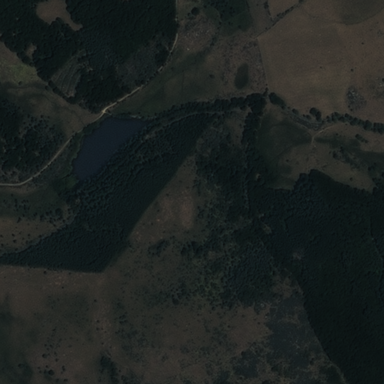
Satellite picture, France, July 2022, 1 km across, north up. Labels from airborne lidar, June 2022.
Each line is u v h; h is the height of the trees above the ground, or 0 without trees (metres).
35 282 0
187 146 14
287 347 0
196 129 9
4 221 0
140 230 0
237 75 0
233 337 0
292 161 0
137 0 19
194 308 0
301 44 0
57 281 0
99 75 8
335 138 0
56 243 11
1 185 0
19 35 11
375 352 12
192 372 0
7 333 0
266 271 8
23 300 0
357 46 0
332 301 19
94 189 10
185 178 0
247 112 0
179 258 0
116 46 18
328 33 0
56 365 0
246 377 0
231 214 11
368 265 23
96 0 20
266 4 6
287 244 21
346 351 21
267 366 0
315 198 25
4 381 0
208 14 0
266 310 0
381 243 26
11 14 14
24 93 0
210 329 0
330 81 0
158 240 0
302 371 0
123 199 14
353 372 14
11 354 0
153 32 13
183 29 0
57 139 9
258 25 0
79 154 0
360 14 0
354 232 17
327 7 0
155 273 0
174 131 10
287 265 14
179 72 0
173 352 0
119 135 0
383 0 0
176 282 0
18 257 14
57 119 0
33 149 14
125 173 14
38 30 19
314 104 0
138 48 18
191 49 0
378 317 22
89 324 0
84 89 18
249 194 14
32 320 0
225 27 0
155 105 0
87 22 20
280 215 22
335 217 21
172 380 0
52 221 10
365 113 0
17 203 10
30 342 0
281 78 0
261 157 9
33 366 0
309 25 0
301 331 0
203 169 9
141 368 0
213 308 9
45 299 0
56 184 7
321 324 14
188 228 0
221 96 0
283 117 0
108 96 12
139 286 0
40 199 0
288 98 0
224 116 8
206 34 0
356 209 18
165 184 14
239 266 7
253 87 0
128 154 18
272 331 0
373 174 0
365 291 19
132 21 17
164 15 20
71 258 13
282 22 0
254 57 0
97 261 17
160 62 15
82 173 0
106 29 17
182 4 0
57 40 18
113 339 0
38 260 13
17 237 0
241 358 0
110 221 16
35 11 6
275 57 0
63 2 0
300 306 0
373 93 0
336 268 16
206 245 8
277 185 0
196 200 0
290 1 0
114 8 13
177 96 0
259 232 16
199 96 0
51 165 8
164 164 17
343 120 18
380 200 22
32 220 0
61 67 18
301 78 0
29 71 0
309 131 0
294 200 23
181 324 0
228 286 7
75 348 0
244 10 0
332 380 6
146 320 0
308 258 20
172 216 0
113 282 0
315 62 0
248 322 0
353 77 0
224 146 13
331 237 19
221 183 7
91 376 0
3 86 0
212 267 6
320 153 0
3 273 0
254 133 15
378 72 0
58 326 0
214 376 0
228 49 0
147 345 0
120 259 0
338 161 0
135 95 0
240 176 18
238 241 6
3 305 0
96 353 0
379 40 0
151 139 9
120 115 7
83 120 0
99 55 17
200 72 0
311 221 23
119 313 0
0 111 20
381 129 17
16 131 20
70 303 0
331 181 19
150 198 15
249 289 7
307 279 18
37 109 0
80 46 16
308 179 10
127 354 0
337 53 0
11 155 18
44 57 9
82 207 10
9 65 0
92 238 15
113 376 8
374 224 20
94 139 0
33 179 9
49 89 13
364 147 0
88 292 0
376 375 17
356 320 19
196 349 0
